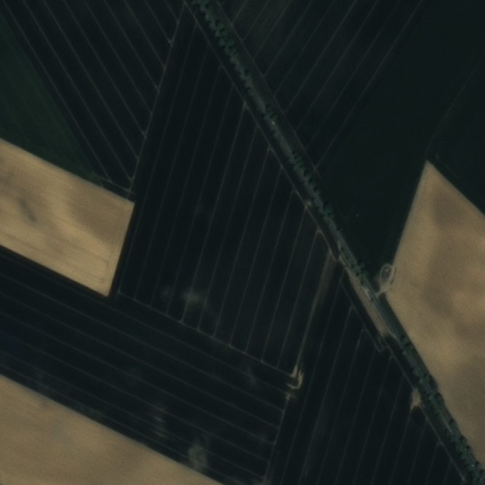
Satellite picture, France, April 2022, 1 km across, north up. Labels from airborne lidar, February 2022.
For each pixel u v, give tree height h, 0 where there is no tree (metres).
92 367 0
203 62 0
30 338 0
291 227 0
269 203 0
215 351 0
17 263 0
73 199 0
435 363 0
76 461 0
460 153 0
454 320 0
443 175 0
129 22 0
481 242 0
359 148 0
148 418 0
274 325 0
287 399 0
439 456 0
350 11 0
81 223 0
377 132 0
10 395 0
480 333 0
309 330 0
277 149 0
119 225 0
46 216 0
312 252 0
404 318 0
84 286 0
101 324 0
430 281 0
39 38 0
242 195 0
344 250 9
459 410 0
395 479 0
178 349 0
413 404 0
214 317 0
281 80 0
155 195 0
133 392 0
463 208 0
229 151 0
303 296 0
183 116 0
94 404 0
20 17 0
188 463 0
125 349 0
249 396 0
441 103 0
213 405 0
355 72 0
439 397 13
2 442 0
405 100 0
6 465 0
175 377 0
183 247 0
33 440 0
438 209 0
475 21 0
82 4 0
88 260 0
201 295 0
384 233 0
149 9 0
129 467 0
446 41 0
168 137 0
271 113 13
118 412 0
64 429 0
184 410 0
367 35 0
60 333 0
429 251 0
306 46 0
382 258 0
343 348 0
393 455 0
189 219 0
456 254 0
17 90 0
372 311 0
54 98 0
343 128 0
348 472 0
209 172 0
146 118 0
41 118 0
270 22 0
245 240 0
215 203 0
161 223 0
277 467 0
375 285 0
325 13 0
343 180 0
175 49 0
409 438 0
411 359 0
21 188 0
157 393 0
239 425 0
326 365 0
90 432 0
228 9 0
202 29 0
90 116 0
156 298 0
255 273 0
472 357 0
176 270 0
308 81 0
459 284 0
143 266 0
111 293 0
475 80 0
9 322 0
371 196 0
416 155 0
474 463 0
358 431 0
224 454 0
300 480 0
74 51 0
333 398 0
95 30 0
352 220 0
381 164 0
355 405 0
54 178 0
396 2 0
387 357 0
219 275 0
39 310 0
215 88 0
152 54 0
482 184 0
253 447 0
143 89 0
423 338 0
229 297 0
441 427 0
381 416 0
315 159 0
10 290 0
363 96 0
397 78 0
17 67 0
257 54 0
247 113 0
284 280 0
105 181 0
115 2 0
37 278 0
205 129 0
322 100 0
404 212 0
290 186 0
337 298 0
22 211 0
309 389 0
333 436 0
